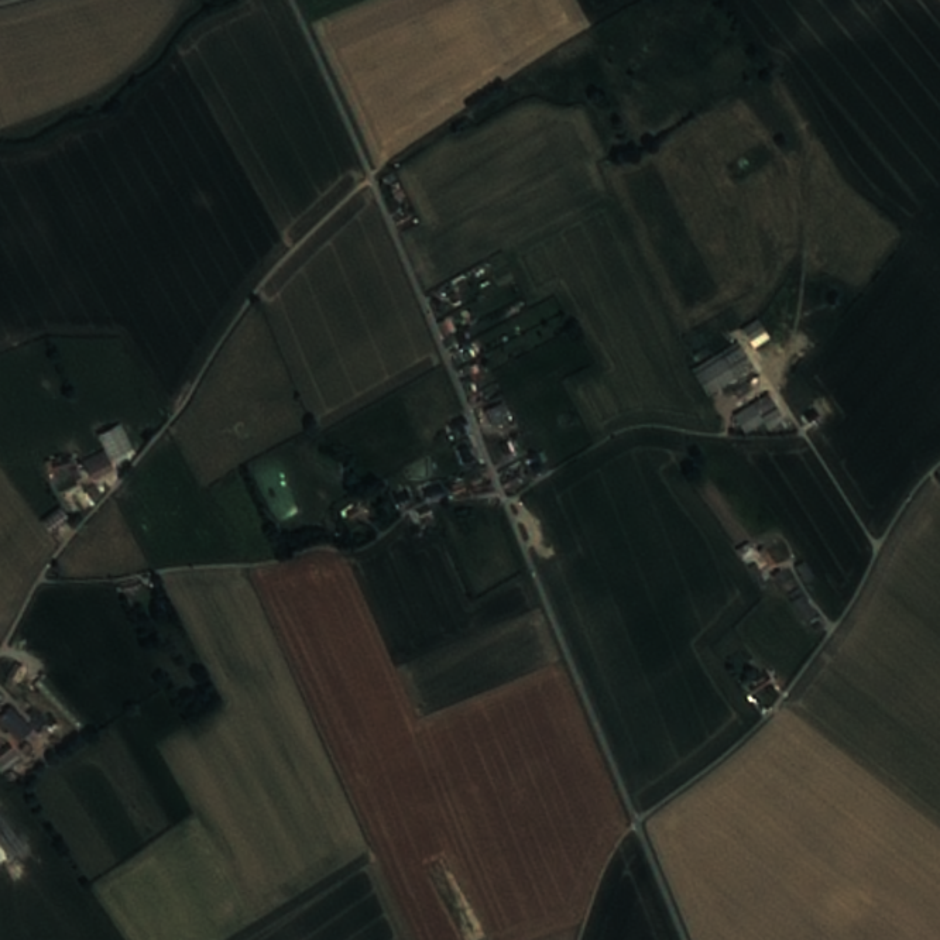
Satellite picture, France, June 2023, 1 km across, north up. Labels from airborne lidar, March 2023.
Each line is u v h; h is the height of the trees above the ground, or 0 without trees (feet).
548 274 0
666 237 0
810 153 0
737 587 0
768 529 0
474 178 0
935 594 0
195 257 0
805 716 0
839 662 0
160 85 0
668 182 0
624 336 0
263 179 0
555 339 0
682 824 0
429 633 0
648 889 0
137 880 0
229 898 0
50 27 0
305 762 0
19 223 0
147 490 0
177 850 0
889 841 0
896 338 0
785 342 0
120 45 0
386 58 0
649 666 0
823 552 0
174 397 0
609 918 0
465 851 0
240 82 0
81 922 0
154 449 0
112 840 0
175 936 0
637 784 0
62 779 0
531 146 0
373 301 0
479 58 0
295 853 0
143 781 0
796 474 0
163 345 0
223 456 0
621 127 36
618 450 0
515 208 0
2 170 0
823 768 0
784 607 0
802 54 0
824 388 0
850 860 0
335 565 0
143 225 0
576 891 0
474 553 0
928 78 0
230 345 0
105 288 0
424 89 0
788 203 0
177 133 0
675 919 0
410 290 0
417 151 0
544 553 0
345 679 0
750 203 0
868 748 0
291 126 0
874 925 0
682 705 0
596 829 0
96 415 0
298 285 0
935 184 0
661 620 0
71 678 0
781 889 0
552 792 0
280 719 0
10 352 0
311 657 0
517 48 0
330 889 0
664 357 0
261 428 0
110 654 0
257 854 0
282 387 0
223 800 0
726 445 0
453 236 0
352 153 0
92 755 0
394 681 0
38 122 0
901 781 0
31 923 0
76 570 0
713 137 0
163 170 0
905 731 0
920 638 0
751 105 0
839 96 0
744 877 0
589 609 0
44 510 0
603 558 0
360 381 0
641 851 0
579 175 0
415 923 0
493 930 0
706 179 0
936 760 0
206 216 0
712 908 0
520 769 0
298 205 0
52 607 0
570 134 0
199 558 0
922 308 0
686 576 0
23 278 0
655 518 0
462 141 0
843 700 0
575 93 0
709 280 0
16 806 0
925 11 0
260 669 0
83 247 0
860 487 0
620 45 0
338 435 0
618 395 0
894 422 0
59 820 0
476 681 0
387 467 0
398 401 0
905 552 0
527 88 0
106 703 0
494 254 0
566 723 0
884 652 0
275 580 0
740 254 0
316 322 0
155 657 0
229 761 0
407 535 0
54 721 0
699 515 0
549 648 0
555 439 0
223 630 0
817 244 0
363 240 0
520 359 0
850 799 0
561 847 0
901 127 0
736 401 0
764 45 0
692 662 0
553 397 0
